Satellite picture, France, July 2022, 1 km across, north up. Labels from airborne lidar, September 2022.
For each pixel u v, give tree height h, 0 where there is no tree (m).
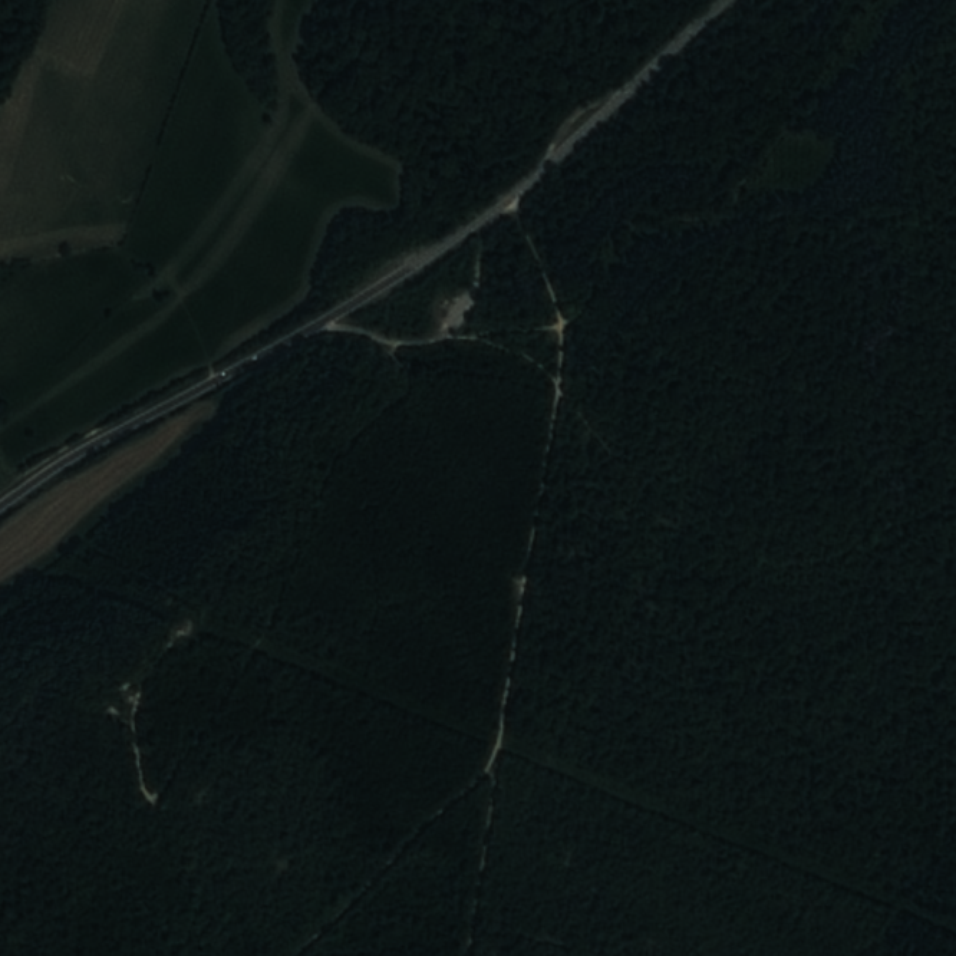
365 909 12
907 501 10
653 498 21
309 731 13
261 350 0
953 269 17
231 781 13
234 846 16
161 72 0
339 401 12
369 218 17
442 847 10
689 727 9
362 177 0
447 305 0
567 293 10
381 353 11
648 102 19
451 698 12
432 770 10
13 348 0
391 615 10
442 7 19
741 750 14
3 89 19
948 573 18
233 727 14
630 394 15
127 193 0
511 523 12
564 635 21
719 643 11
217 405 0
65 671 13
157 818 15
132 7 0
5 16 23
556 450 15
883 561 16
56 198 0
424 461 12
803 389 16
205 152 0
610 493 9
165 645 12
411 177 15
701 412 17
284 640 11
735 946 14
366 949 11
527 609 17
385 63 18
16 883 10
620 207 19
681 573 15
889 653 15
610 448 13
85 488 0
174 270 0
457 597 12
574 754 7
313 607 14
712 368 14
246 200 0
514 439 11
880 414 19
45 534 0
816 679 16
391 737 8
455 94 23
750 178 8
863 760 17
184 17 0
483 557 11
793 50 18
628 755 8
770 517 15
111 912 15
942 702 23
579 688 10
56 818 16
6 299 0
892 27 18
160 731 9
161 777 12
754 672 20
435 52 21
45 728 11
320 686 17
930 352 17
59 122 0
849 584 16
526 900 14
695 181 18
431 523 14
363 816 13
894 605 21
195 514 14
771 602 17
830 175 17
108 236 0
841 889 15
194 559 15
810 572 11
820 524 17
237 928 19
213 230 0
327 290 16
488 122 18
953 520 11
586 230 20
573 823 9
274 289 0
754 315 20
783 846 17
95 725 15
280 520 17
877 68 20
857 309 17
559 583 19
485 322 9
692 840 9
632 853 13
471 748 12
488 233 16
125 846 10
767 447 20
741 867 14
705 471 12
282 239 0
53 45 0
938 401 18
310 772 15
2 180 0
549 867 10
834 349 11
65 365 0
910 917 14
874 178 25
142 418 0
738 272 17
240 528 18
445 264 7
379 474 10
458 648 9
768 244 7
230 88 0
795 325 16
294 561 9
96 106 0
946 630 19
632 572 11
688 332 15
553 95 19
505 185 14
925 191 18
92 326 0
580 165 15
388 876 11
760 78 18
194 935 12
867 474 18
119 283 0
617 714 16
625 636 19
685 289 19
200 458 19
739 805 14
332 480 10
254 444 13
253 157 0
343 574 10
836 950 13
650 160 14
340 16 26
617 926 12
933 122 17
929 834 9
